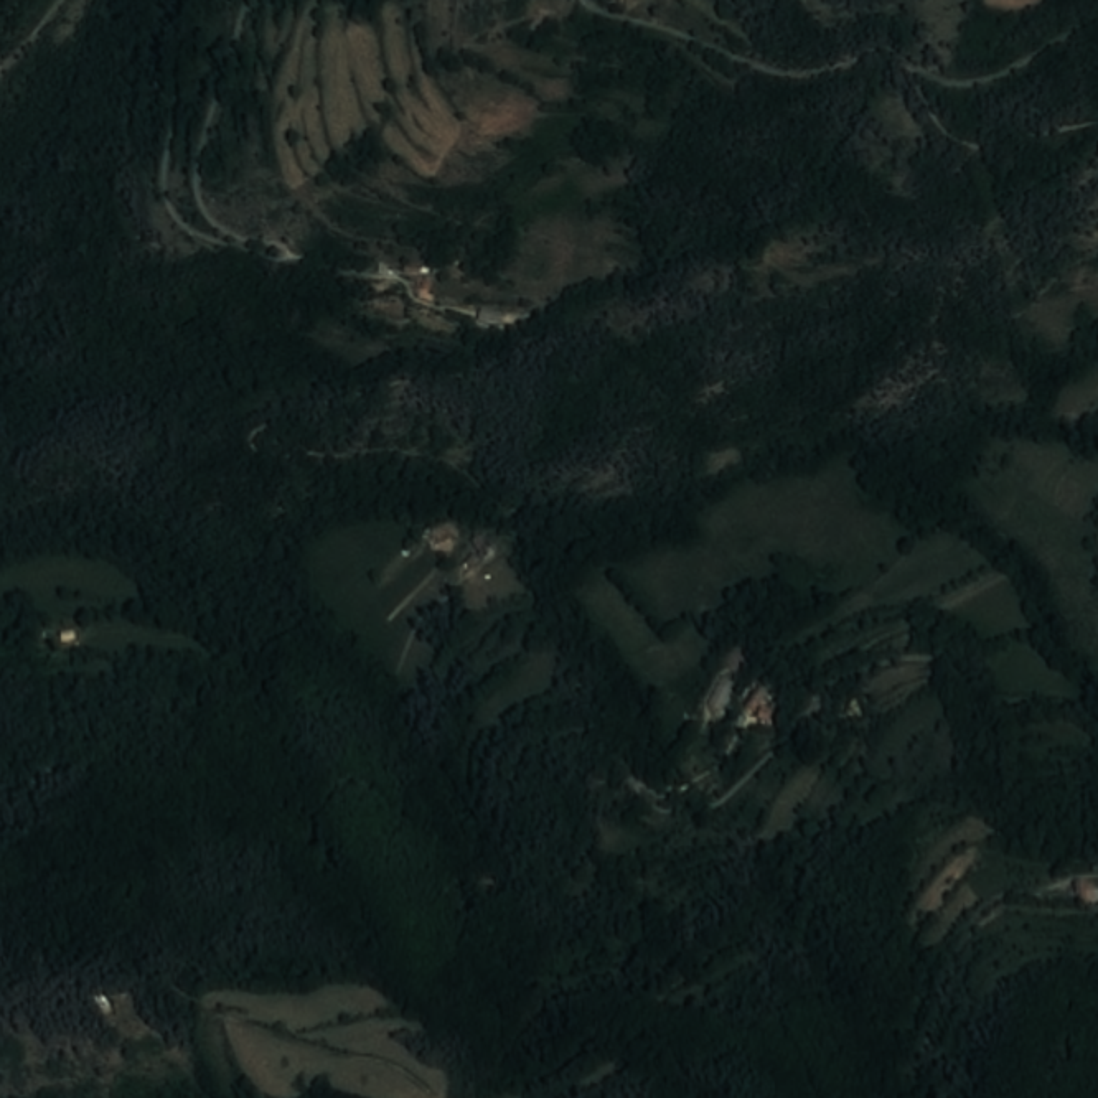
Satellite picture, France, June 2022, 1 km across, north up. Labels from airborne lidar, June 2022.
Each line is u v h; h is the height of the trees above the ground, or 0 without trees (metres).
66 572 0
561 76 0
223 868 22
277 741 15
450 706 16
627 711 22
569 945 8
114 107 8
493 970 23
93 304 13
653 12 16
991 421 28
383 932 23
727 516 0
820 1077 18
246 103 12
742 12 15
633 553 11
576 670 7
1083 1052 16
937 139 14
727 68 9
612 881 10
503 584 0
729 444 13
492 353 15
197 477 14
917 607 12
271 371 22
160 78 17
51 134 24
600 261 0
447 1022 16
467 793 12
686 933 22
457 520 10
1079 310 8
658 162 12
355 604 0
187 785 28
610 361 11
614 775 17
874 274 11
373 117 0
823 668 6
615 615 0
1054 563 0
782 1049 14
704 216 11
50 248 10
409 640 0
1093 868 18
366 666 21
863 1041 25
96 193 10
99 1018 14
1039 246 19
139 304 16
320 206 0
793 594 16
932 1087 5
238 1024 0
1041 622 13
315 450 18
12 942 14
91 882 23
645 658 0
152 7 20
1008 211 19
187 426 8
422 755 29
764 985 13
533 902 17
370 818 10
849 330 19
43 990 15
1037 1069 16
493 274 12
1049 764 8
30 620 25
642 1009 26
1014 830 14
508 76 12
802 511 0
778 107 10
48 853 25
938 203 8
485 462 18
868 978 25
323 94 0
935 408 13
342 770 11
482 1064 16
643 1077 15
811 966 16
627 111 7
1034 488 0
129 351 18
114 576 0
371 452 9
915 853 6
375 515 17
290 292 15
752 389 9
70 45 13
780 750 15
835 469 0
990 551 11
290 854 26
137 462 16
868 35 17
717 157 8
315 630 21
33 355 15
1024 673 0
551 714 14
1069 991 18
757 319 13
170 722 20
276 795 24
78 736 18
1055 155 12
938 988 12
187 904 26
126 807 21
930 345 10
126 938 10
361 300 11
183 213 7
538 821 9
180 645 0
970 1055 9
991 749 18
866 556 0
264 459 14
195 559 22
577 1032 20
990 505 0
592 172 0
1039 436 21
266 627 25
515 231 12
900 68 13
